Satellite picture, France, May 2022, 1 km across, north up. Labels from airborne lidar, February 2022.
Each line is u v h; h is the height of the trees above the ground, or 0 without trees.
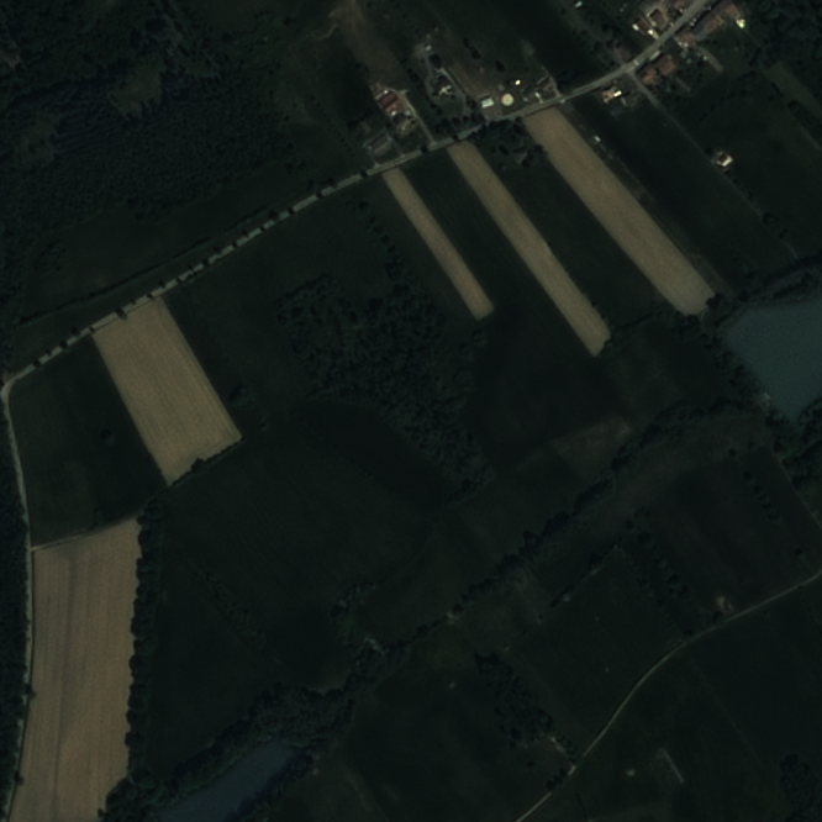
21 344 0
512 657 0
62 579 0
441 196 0
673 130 0
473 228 0
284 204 0
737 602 0
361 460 0
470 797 0
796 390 0
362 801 0
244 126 17
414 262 0
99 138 19
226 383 0
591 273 0
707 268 0
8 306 22
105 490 0
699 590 0
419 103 0
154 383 0
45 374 0
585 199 0
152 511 13
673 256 0
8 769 24
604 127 0
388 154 0
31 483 0
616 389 0
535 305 0
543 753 0
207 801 0
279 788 19
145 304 0
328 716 18
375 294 0
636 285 0
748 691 0
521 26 0
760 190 0
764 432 0
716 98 0
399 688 0
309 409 0
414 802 0
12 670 20
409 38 0
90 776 0
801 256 0
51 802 0
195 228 0
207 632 0
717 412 17
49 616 0
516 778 0
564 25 0
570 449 0
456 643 0
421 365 13
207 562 0
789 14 18
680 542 0
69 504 0
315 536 0
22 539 16
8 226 18
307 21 0
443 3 0
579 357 0
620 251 0
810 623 0
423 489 0
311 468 0
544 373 0
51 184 14
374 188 0
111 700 0
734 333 0
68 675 0
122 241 0
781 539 0
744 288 0
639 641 0
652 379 0
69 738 0
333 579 0
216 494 0
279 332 0
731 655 0
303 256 0
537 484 0
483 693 0
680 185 0
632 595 0
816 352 0
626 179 0
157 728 0
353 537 0
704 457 0
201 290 0
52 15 29
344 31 0
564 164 0
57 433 0
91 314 0
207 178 18
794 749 0
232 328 0
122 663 0
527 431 0
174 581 0
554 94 0
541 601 0
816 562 0
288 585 0
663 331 0
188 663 0
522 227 0
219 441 0
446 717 0
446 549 0
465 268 0
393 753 0
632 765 0
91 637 0
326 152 0
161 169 16
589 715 0
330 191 0
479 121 11
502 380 0
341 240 0
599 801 0
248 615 7
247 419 0
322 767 0
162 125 16
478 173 0
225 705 0
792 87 0
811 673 0
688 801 0
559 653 0
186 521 0
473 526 0
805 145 0
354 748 0
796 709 0
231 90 17
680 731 0
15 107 20
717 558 0
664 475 0
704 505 0
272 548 0
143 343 0
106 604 0
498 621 0
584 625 0
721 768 0
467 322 0
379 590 0
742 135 0
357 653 7
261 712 23
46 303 0
